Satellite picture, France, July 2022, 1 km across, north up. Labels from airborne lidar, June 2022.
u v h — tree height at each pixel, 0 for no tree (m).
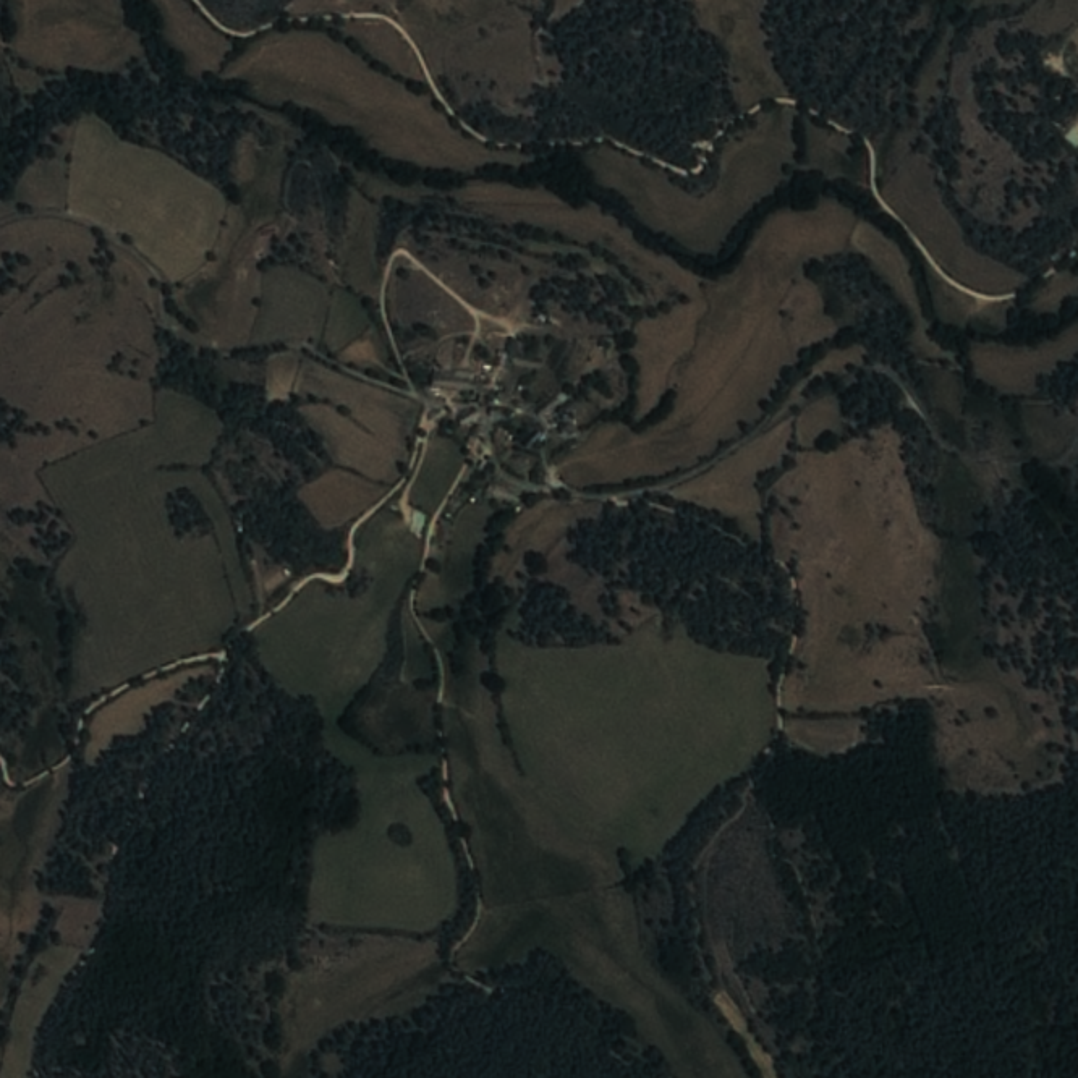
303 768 8
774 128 0
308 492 0
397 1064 20
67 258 0
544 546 0
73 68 13
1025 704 0
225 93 6
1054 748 10
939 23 13
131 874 11
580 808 0
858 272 10
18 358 0
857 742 0
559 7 0
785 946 8
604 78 10
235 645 15
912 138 0
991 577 15
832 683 0
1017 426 0
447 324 0
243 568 7
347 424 0
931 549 0
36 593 0
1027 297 12
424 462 0
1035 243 15
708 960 10
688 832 13
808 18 21
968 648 0
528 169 13
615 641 8
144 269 0
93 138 0
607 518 11
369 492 0
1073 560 16
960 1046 15
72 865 13
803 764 21
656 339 0
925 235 0
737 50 0
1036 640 8
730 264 10
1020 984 16
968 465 0
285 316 0
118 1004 20
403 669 0
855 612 0
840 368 0
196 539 0
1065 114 7
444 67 0
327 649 0
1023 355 0
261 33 11
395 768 0
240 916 16
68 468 0
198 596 0
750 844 0
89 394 0
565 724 0
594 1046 18
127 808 7
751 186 0
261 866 16
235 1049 20
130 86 15
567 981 8
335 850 0
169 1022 18
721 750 0
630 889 10
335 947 0
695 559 21
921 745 19
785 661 13
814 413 0
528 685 0
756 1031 10
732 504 0
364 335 0
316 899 0
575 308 9
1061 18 0
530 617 15
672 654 0
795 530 6
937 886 20
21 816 0
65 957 0
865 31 18
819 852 11
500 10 0
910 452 9
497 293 0
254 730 6
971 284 0
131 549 0
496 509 6
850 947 14
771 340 0
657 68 13
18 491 0
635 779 0
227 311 0
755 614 21
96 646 0
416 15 0
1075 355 0
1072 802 17
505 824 0
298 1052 0
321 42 0
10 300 0
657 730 0
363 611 0
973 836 15
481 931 0
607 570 12
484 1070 17
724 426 0
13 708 8
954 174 13
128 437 0
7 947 0
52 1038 18
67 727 13
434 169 9
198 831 21
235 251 0
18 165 7
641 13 16
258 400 11
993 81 12
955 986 19
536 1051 18
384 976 0
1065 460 0
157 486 0
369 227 0
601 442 0
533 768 0
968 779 0
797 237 0
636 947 0
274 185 0
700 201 0
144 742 15
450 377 0
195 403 0
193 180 0
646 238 10
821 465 0
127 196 0
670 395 10
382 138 0
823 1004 11
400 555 0
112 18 0
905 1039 15
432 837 0
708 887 0
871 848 19
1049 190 10
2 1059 0
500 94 0
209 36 0
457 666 14
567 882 0
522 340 13
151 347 0
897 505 0
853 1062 22
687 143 7
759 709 0
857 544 0
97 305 0
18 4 0
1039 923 19
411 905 0
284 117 0
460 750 0
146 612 0
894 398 11
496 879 0
